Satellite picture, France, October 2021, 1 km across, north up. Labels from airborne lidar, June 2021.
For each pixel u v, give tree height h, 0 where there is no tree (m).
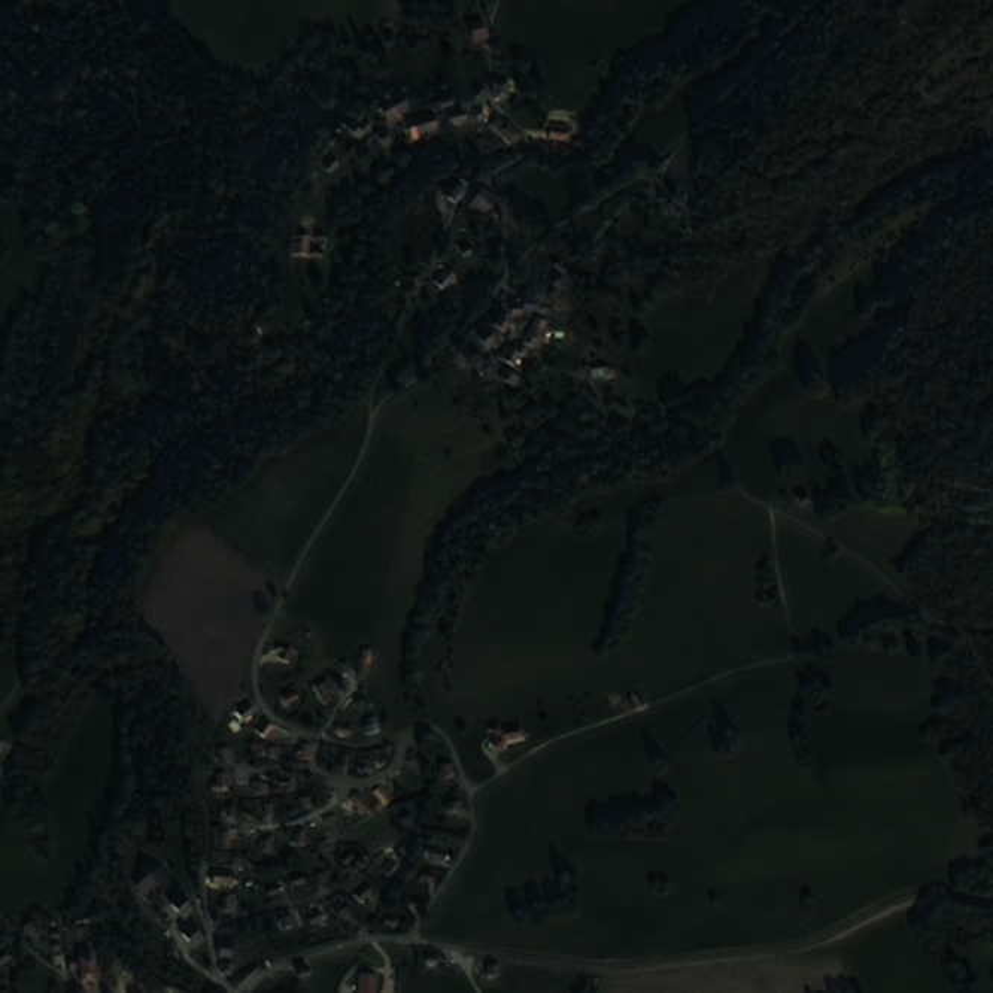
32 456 24
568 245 7
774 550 0
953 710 22
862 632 17
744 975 0
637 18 0
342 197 6
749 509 0
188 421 34
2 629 23
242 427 21
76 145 28
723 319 0
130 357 29
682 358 0
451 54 15
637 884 0
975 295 19
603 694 0
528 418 14
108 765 0
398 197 23
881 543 0
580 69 0
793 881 0
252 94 22
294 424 23
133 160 25
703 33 30
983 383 16
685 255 12
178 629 0
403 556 0
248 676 0
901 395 17
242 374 27
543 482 32
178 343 29
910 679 0
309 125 27
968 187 15
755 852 0
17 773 19
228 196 28
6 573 36
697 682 0
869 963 0
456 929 0
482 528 25
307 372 37
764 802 0
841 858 0
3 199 19
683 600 0
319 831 0
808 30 24
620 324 0
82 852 0
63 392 23
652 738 0
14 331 14
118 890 19
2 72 29
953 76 8
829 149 8
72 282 23
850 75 15
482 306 17
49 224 26
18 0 8
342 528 0
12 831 0
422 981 0
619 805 0
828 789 0
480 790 0
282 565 0
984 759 11
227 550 0
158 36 30
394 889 16
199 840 8
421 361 17
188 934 0
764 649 0
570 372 0
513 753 0
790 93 26
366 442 0
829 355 0
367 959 0
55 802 0
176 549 0
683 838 0
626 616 18
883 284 0
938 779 0
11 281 0
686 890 0
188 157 30
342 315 27
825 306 0
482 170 20
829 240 30
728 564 0
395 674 0
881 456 17
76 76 23
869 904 0
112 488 37
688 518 0
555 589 0
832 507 12
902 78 11
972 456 6
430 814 7
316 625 0
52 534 30
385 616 0
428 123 0
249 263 29
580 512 0
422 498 0
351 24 0
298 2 0
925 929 23
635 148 0
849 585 0
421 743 16
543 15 0
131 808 17
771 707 0
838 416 0
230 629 0
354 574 0
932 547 13
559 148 8
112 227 28
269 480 0
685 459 20
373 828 0
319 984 0
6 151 21
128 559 30
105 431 21
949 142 9
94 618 24
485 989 0
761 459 0
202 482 27
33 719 20
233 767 0
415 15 27
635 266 18
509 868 0
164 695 26
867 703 0
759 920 0
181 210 28
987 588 7
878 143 17
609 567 0
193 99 34
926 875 0
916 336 18
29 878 0
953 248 31
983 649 12
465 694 0
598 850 0
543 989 0
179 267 24
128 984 0
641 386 0
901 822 0
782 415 0
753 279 0
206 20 0
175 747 29
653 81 20
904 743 0
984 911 17
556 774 0
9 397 19
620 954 0
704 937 0
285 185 25
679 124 0
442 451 0
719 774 0
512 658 0
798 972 0
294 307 0
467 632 0
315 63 29
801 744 20
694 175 7
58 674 36
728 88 22
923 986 0
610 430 18
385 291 21
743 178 12
